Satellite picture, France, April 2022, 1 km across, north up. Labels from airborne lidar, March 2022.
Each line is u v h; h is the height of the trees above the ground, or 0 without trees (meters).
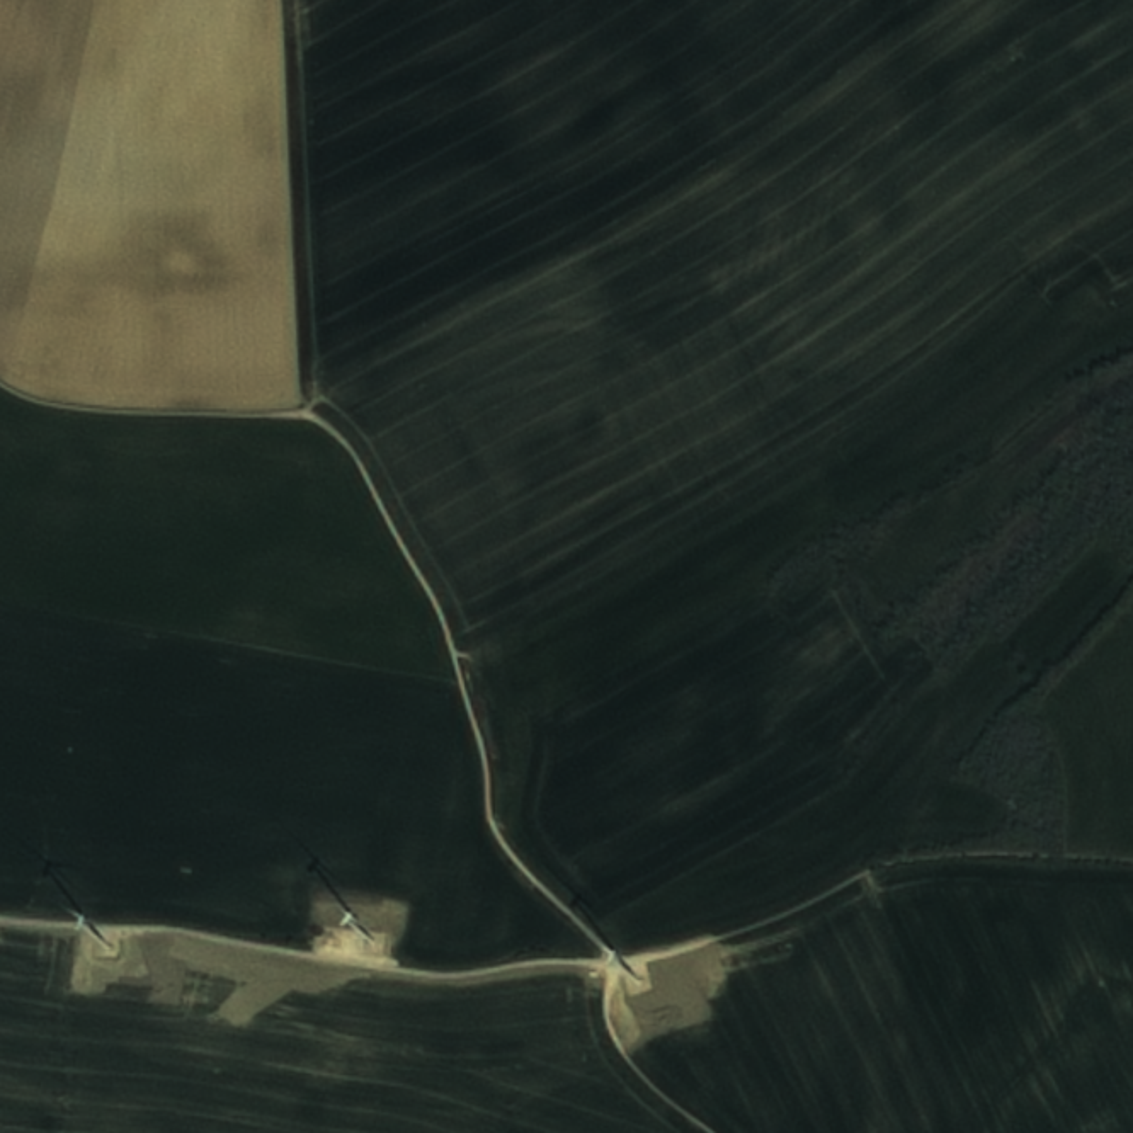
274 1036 0
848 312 0
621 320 0
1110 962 0
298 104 0
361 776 0
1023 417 0
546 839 0
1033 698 13
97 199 0
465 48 0
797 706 0
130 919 0
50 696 0
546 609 0
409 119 0
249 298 0
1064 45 0
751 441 0
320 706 0
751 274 0
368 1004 0
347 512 0
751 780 0
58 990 0
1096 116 0
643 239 0
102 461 0
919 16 0
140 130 0
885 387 0
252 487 0
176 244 0
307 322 0
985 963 0
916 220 0
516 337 0
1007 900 0
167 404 0
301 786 0
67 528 0
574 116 0
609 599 0
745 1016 0
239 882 0
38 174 0
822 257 0
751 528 0
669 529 0
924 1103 0
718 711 0
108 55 0
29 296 0
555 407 0
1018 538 0
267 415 0
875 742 10
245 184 0
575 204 0
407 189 0
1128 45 0
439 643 0
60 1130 0
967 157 0
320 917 0
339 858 0
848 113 0
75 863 0
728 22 0
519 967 0
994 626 16
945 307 0
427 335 0
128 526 0
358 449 0
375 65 0
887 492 0
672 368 0
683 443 0
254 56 0
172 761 0
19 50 0
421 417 0
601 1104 0
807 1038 0
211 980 0
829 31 0
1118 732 0
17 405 0
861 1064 0
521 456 0
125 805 0
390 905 0
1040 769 11
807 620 0
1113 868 8
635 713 0
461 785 0
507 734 0
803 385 0
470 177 0
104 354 0
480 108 0
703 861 0
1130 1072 0
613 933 0
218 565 0
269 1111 0
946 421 0
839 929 0
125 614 0
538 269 0
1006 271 0
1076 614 0
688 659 0
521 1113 0
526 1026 0
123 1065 0
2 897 0
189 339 0
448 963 0
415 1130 0
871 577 0
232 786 0
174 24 0
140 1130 0
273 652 0
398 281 0
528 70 0
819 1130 0
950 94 0
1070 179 0
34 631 0
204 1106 0
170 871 0
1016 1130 0
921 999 0
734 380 0
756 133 0
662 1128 0
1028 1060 0
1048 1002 0
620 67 0
